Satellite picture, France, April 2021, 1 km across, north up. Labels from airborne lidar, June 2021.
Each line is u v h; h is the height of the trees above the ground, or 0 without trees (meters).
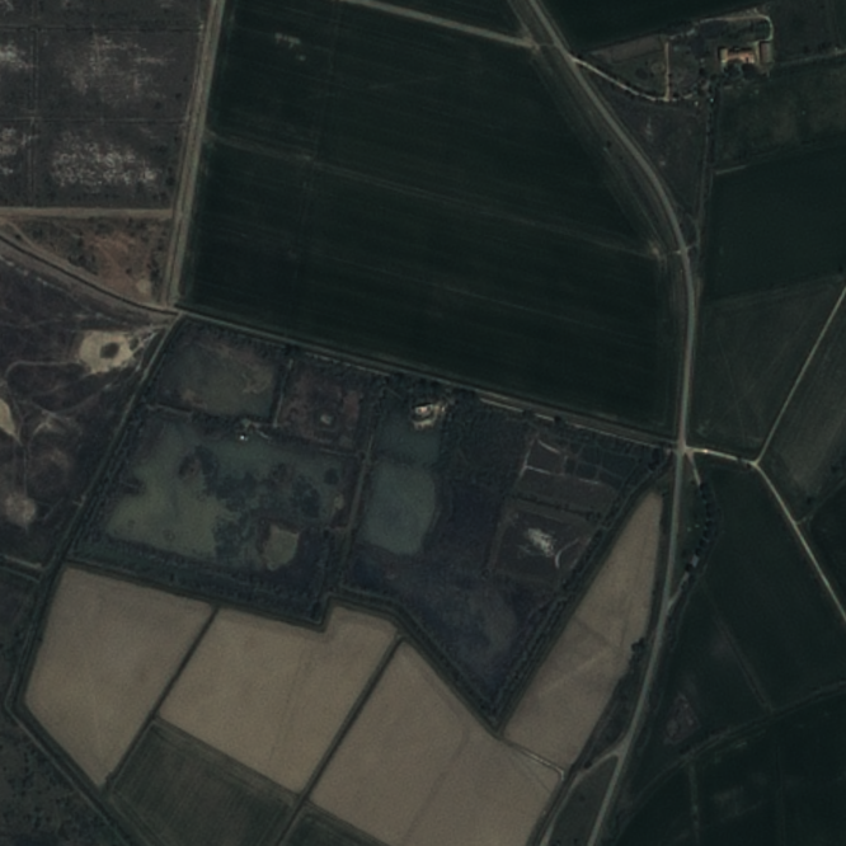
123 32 0
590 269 0
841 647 0
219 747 0
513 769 0
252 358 0
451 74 0
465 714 0
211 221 0
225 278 0
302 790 0
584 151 0
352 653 0
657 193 0
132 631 0
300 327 0
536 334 0
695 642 0
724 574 0
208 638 0
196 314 0
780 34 0
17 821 0
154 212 0
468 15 0
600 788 0
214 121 0
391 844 0
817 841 0
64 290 0
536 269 0
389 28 0
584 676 0
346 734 0
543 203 0
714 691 0
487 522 0
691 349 0
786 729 0
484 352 0
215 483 0
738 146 0
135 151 0
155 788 0
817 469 0
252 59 0
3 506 0
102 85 0
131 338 0
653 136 0
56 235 0
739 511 0
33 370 0
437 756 0
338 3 0
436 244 0
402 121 0
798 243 0
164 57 0
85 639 0
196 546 0
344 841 0
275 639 0
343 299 0
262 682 0
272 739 0
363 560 0
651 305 0
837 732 0
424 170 0
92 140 0
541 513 0
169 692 0
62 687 0
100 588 0
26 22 0
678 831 0
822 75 0
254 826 0
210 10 0
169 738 0
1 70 0
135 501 0
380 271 0
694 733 0
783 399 0
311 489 0
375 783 0
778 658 0
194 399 0
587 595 0
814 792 0
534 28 0
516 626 0
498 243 0
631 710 0
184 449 0
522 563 0
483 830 0
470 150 0
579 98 0
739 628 0
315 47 0
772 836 0
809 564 6
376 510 0
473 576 0
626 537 0
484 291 0
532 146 0
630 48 0
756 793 0
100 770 0
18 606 0
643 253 0
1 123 0
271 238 0
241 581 7
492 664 0
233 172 0
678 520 0
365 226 0
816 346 0
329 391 0
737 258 0
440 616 0
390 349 0
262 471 0
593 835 0
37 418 0
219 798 0
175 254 0
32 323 0
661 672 0
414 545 0
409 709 0
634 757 0
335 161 0
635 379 0
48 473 0
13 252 0
